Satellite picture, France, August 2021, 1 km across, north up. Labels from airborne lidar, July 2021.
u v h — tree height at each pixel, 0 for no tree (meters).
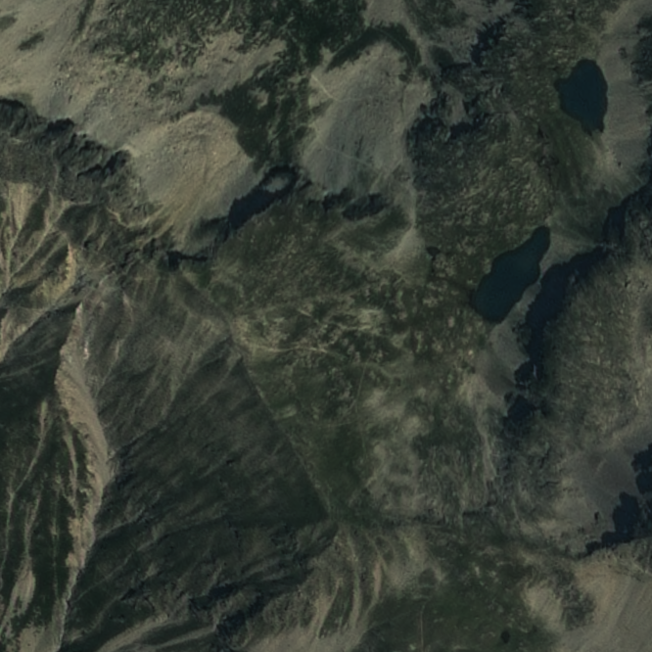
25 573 0
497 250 0
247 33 0
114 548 0
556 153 0
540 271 0
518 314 0
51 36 0
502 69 0
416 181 0
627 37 0
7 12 0
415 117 0
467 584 0
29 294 0
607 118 0
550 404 0
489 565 0
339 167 0
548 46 0
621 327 0
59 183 0
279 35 0
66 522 0
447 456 0
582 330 0
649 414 0
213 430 0
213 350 0
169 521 0
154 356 0
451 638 0
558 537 0
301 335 0
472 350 0
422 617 0
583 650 0
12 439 0
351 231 0
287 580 0
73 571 0
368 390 0
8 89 0
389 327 0
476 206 0
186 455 0
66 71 0
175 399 0
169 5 0
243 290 0
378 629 0
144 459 0
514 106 0
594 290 0
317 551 0
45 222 0
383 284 0
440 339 0
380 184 0
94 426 0
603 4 0
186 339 0
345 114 0
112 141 0
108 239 0
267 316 0
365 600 0
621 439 0
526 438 0
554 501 0
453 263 0
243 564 0
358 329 0
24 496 0
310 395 0
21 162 0
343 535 0
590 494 0
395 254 0
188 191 0
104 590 0
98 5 0
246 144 0
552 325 0
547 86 0
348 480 0
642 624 0
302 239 0
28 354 0
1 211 0
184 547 0
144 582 7
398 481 0
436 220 0
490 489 0
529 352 0
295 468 0
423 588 0
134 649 0
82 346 0
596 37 0
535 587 0
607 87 0
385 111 0
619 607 0
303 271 0
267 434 0
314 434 0
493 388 0
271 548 0
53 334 0
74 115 0
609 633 0
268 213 0
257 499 0
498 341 0
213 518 0
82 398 0
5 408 0
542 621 0
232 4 0
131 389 0
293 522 0
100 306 0
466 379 0
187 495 0
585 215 0
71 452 0
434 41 0
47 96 0
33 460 0
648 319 0
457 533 0
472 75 0
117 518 0
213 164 0
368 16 0
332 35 0
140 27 0
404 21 0
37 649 0
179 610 0
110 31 0
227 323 0
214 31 0
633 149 0
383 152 0
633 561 0
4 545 0
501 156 0
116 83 0
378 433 0
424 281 0
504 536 0
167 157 0
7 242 0
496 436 0
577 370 0
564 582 0
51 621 0
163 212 0
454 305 0
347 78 0
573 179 0
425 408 0
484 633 0
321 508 0
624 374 0
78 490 0
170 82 0
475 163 0
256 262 0
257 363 0
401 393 0
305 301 0
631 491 0
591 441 0
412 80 0
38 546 0
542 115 0
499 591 0
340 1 0
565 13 0
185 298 0
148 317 0
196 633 0
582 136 0
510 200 0
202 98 0
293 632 0
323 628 0
